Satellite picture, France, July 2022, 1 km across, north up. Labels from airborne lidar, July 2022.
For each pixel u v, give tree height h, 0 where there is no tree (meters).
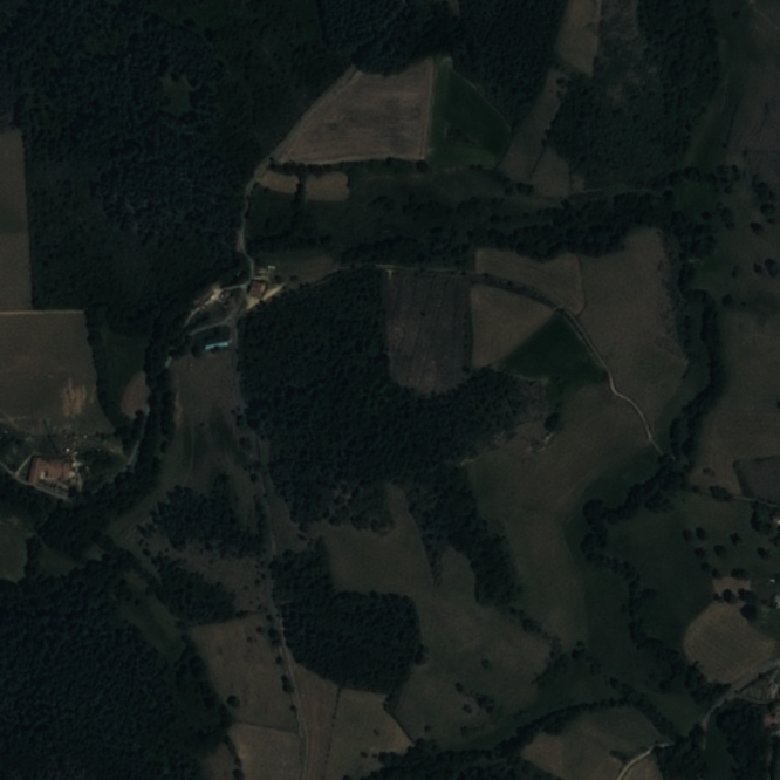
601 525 18
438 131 0
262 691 0
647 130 6
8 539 0
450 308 0
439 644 0
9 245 0
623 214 9
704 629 0
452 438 17
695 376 0
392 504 0
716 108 0
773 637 0
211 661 0
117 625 21
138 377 0
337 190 0
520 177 0
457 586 0
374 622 6
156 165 29
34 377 0
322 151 0
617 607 0
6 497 18
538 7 13
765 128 0
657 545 0
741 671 0
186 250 7
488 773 7
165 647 0
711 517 0
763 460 0
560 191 0
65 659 22
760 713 10
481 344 0
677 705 0
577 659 16
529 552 0
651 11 9
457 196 0
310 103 0
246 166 12
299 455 6
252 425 17
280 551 0
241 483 0
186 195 26
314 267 0
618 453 0
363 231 0
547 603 0
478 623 0
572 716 10
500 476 0
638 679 0
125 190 20
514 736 0
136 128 35
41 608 9
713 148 0
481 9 8
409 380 0
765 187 12
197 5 9
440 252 9
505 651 0
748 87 0
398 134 0
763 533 19
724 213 15
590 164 11
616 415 0
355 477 6
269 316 6
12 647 26
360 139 0
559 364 0
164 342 6
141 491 7
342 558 0
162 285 7
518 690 0
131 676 31
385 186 0
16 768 29
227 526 14
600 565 14
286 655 0
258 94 6
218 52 6
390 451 21
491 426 12
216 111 27
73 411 0
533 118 0
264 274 0
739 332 0
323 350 9
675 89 6
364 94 0
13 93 10
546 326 0
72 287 10
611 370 0
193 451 0
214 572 0
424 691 0
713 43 22
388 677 13
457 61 10
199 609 21
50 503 29
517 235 10
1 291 0
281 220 6
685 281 14
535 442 0
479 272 0
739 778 15
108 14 32
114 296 6
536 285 0
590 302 0
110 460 6
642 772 0
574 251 16
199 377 0
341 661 11
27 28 27
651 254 0
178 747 7
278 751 0
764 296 0
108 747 21
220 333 9
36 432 0
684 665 17
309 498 17
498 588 21
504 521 0
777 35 0
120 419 9
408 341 0
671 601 0
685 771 9
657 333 0
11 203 0
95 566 17
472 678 0
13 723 24
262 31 7
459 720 0
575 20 0
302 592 10
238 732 0
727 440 0
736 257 0
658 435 0
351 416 11
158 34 33
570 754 0
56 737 21
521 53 16
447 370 0
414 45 10
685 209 0
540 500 0
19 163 0
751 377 0
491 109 0
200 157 32
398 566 0
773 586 0
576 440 0
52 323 0
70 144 12
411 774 21
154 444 13
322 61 6
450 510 22
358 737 0
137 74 34
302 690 0
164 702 26
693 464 6
